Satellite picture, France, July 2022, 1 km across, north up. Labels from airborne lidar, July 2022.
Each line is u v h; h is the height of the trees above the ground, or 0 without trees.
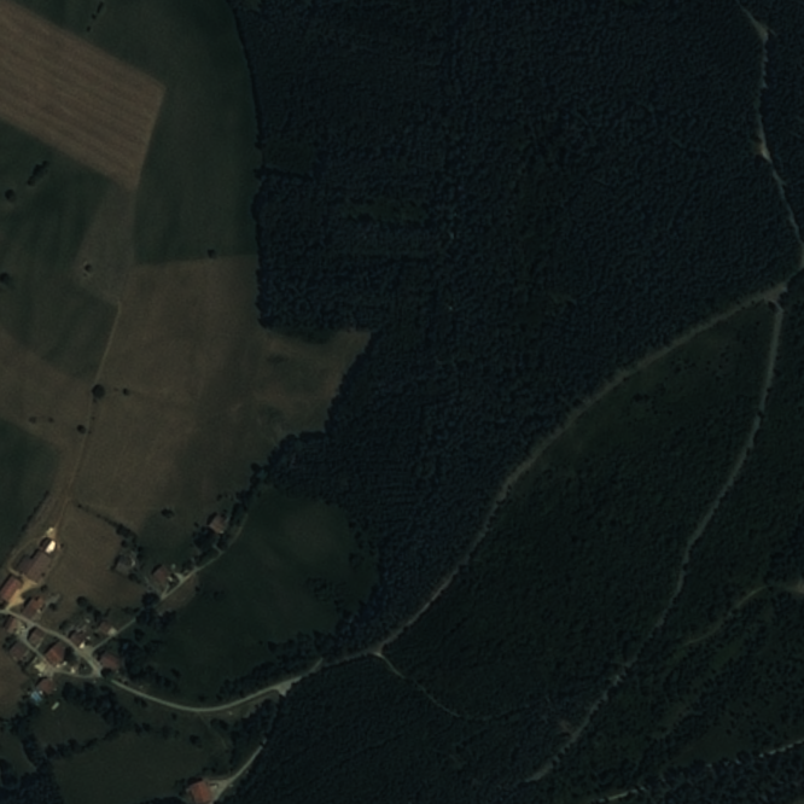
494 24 26
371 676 11
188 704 0
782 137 26
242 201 0
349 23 22
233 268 0
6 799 27
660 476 8
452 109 26
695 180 28
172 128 0
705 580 12
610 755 8
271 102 20
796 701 10
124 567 0
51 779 23
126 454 0
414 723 16
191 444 0
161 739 0
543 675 6
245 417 0
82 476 0
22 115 0
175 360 0
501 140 28
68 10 0
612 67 31
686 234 34
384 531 14
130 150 0
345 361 0
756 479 12
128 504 0
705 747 0
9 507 0
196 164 0
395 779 15
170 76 0
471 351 23
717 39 28
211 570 0
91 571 0
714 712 13
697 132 32
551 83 29
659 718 15
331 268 15
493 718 10
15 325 0
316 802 13
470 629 5
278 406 0
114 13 0
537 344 24
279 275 29
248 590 0
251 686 14
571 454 0
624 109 29
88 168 0
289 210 28
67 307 0
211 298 0
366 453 24
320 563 0
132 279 0
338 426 26
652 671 6
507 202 23
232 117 0
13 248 0
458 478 31
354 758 11
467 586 13
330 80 15
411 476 14
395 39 19
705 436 6
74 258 0
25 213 0
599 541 9
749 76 23
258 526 0
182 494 0
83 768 0
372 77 11
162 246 0
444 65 14
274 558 0
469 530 30
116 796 0
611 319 24
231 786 0
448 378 25
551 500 7
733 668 11
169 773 0
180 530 0
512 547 12
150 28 0
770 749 14
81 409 0
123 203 0
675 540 13
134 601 0
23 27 0
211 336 0
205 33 0
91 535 0
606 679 13
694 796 34
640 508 9
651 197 36
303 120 19
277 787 13
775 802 24
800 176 15
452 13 17
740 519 11
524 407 24
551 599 9
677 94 32
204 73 0
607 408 0
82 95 0
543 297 19
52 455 0
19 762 0
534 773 13
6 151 0
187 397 0
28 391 0
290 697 7
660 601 14
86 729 0
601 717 14
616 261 33
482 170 29
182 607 0
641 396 7
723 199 28
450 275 20
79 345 0
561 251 18
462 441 30
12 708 0
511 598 6
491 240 25
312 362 0
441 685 15
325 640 13
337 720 9
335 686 8
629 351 22
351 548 0
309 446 26
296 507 0
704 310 24
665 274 34
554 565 6
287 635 0
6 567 0
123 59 0
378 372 16
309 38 23
